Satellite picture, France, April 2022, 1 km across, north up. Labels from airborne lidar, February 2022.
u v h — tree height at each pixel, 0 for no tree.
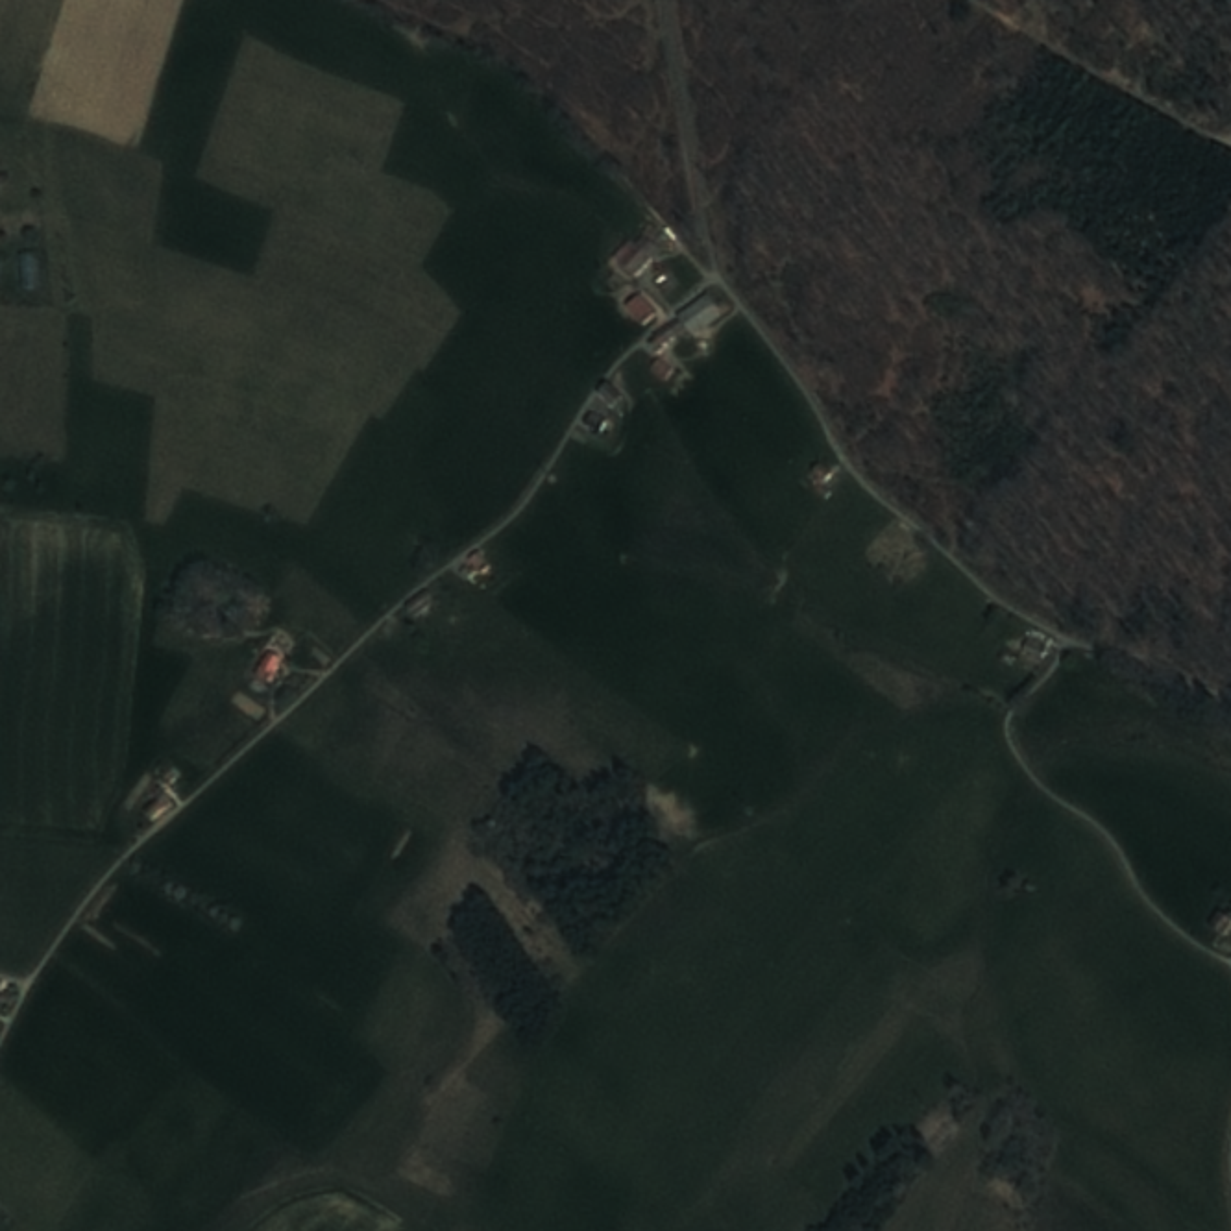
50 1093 0
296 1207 0
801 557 0
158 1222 0
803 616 0
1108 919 0
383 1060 0
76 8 0
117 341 0
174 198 0
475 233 0
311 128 0
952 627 0
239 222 0
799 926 0
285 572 0
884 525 0
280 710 7
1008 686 0
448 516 0
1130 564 27
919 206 21
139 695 0
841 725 0
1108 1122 0
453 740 0
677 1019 0
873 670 0
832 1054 0
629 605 0
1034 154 11
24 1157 0
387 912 0
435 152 0
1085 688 0
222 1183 0
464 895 0
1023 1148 9
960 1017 0
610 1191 0
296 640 0
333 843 0
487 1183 0
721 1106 0
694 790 0
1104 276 24
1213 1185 0
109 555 0
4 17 0
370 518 0
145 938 0
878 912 0
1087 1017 0
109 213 0
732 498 0
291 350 0
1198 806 0
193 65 0
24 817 0
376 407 0
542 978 22
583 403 0
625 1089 0
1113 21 9
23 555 0
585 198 0
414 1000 0
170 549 0
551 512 0
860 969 0
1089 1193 0
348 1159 0
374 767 0
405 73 0
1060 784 0
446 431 0
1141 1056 0
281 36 0
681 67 0
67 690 0
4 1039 0
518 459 0
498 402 0
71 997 0
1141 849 0
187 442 0
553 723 0
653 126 29
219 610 25
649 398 0
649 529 0
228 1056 0
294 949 0
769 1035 0
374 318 0
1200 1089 0
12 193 0
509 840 10
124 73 0
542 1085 0
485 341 0
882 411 8
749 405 0
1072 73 15
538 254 0
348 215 0
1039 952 0
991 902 0
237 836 0
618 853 21
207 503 0
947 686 0
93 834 0
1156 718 0
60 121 0
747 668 0
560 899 25
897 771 0
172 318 0
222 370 0
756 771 0
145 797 0
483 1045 0
